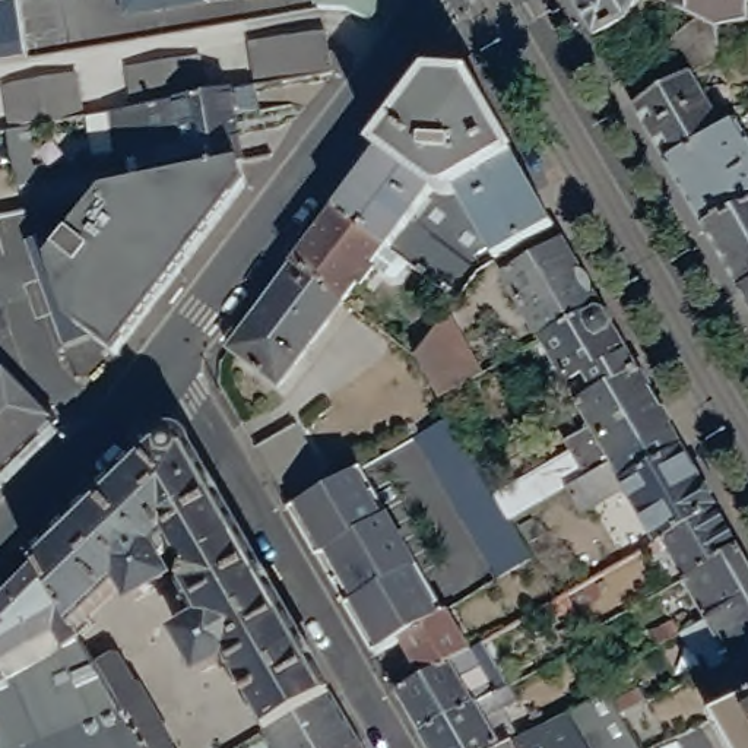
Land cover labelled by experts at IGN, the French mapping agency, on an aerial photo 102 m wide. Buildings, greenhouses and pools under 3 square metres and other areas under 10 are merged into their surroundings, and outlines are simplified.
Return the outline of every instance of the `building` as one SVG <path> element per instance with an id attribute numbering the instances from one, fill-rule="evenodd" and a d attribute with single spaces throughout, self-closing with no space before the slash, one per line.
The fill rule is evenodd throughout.
<path id="1" fill-rule="evenodd" d="M 0 58 L 29 56 L 23 0 L 0 0 Z"/>
<path id="2" fill-rule="evenodd" d="M 617 26 L 631 9 L 643 6 L 646 0 L 561 0 L 573 26 L 587 35 Z"/>
<path id="3" fill-rule="evenodd" d="M 704 58 L 713 58 L 719 47 L 719 29 L 748 20 L 748 0 L 672 0 L 684 15 L 690 15 L 690 20 L 672 35 L 672 44 L 678 50 L 690 58 L 687 67 L 655 79 L 649 88 L 631 96 L 637 102 L 634 120 L 646 120 L 646 126 L 655 134 L 663 134 L 663 172 L 666 178 L 672 196 L 687 210 L 701 213 L 704 228 L 713 231 L 713 237 L 719 240 L 719 248 L 730 260 L 748 301 L 748 137 L 730 117 L 713 123 L 707 114 L 707 91 L 716 88 L 716 82 L 707 76 L 695 76 L 695 67 Z"/>
<path id="4" fill-rule="evenodd" d="M 56 427 L 47 421 L 47 412 L 23 392 L 23 386 L 6 368 L 0 368 L 0 491 L 38 450 L 47 447 L 47 441 L 56 435 Z"/>
<path id="5" fill-rule="evenodd" d="M 365 152 L 359 155 L 359 161 L 342 178 L 342 184 L 327 199 L 316 222 L 289 248 L 289 254 L 257 292 L 245 316 L 225 330 L 225 339 L 234 345 L 237 356 L 257 365 L 269 380 L 281 380 L 298 356 L 298 351 L 310 342 L 316 327 L 336 307 L 342 289 L 351 281 L 362 278 L 368 263 L 374 263 L 377 272 L 386 272 L 397 257 L 403 257 L 406 263 L 427 257 L 432 269 L 473 275 L 473 269 L 482 266 L 485 263 L 488 254 L 500 257 L 517 243 L 549 228 L 549 207 L 541 196 L 532 193 L 511 152 L 508 137 L 500 120 L 494 117 L 491 105 L 485 102 L 479 85 L 473 82 L 462 58 L 415 58 L 362 126 Z"/>
<path id="6" fill-rule="evenodd" d="M 187 0 L 114 0 L 123 9 L 158 9 Z"/>
<path id="7" fill-rule="evenodd" d="M 564 234 L 526 251 L 511 266 L 497 266 L 508 307 L 526 318 L 523 333 L 532 333 L 535 342 L 543 342 L 543 359 L 552 374 L 573 377 L 567 386 L 576 397 L 581 397 L 581 409 L 573 421 L 561 424 L 561 441 L 555 444 L 555 450 L 546 450 L 549 462 L 497 494 L 479 476 L 479 465 L 465 462 L 462 450 L 453 444 L 441 421 L 430 430 L 415 430 L 415 441 L 432 462 L 459 517 L 473 532 L 485 555 L 485 570 L 494 579 L 520 561 L 520 549 L 526 546 L 523 532 L 517 532 L 508 523 L 508 517 L 529 511 L 546 497 L 558 494 L 561 488 L 576 497 L 576 505 L 596 508 L 608 497 L 625 494 L 634 511 L 640 514 L 643 538 L 652 543 L 666 543 L 675 561 L 675 576 L 687 579 L 690 590 L 695 593 L 695 611 L 701 619 L 684 628 L 666 622 L 649 631 L 649 637 L 655 640 L 675 637 L 678 646 L 678 655 L 687 657 L 687 666 L 719 666 L 725 678 L 733 684 L 730 692 L 707 701 L 707 719 L 713 728 L 716 748 L 748 748 L 748 543 L 730 523 L 728 511 L 719 505 L 719 482 L 710 473 L 707 479 L 692 476 L 692 459 L 701 459 L 704 453 L 698 444 L 681 438 L 675 421 L 669 421 L 663 409 L 663 400 L 657 389 L 652 394 L 646 377 L 637 374 L 637 365 L 631 365 L 637 359 L 634 345 L 619 321 L 605 304 L 605 298 L 599 286 L 590 286 L 590 275 L 584 272 L 587 266 L 581 263 L 581 254 Z"/>
<path id="8" fill-rule="evenodd" d="M 368 728 L 354 725 L 339 698 L 333 704 L 327 701 L 321 672 L 310 646 L 307 622 L 286 590 L 286 581 L 278 579 L 278 561 L 269 561 L 260 546 L 263 532 L 254 532 L 254 526 L 231 503 L 228 491 L 219 485 L 219 479 L 196 456 L 190 456 L 190 430 L 184 424 L 167 424 L 164 432 L 143 435 L 114 462 L 105 462 L 108 468 L 96 476 L 94 488 L 79 494 L 58 517 L 50 520 L 50 526 L 41 535 L 29 541 L 29 549 L 35 555 L 26 555 L 26 561 L 0 584 L 0 748 L 178 748 L 167 733 L 164 713 L 158 710 L 152 692 L 146 690 L 143 678 L 137 675 L 134 663 L 123 655 L 123 649 L 114 646 L 111 652 L 91 657 L 82 646 L 88 640 L 82 634 L 82 625 L 67 622 L 70 611 L 76 611 L 105 581 L 114 581 L 120 593 L 129 593 L 140 584 L 155 587 L 164 576 L 172 576 L 175 590 L 184 599 L 184 608 L 178 608 L 175 614 L 169 611 L 167 625 L 184 663 L 213 660 L 219 669 L 237 678 L 243 701 L 263 716 L 260 739 L 266 739 L 266 748 L 359 748 L 362 742 L 368 742 Z"/>
<path id="9" fill-rule="evenodd" d="M 485 643 L 468 646 L 468 631 L 473 628 L 456 614 L 453 605 L 438 605 L 424 567 L 415 564 L 415 552 L 406 546 L 406 529 L 400 526 L 400 520 L 394 520 L 394 514 L 377 508 L 371 479 L 365 479 L 362 470 L 354 468 L 354 462 L 354 450 L 342 435 L 310 435 L 307 424 L 292 421 L 286 430 L 269 435 L 266 441 L 254 441 L 248 430 L 237 427 L 234 441 L 257 479 L 275 479 L 281 485 L 281 497 L 286 503 L 275 508 L 275 514 L 289 517 L 292 529 L 304 543 L 301 552 L 310 552 L 318 561 L 324 579 L 342 590 L 339 608 L 345 611 L 362 649 L 368 649 L 371 655 L 386 655 L 397 646 L 406 655 L 406 660 L 427 660 L 424 669 L 403 678 L 403 701 L 421 722 L 421 733 L 430 748 L 637 748 L 643 736 L 634 730 L 628 716 L 622 716 L 622 707 L 631 707 L 646 698 L 643 692 L 628 692 L 622 698 L 614 698 L 611 704 L 587 701 L 570 710 L 546 719 L 543 725 L 526 733 L 517 733 L 508 707 L 517 698 L 511 690 L 503 687 L 503 660 L 488 655 Z"/>
<path id="10" fill-rule="evenodd" d="M 468 351 L 465 327 L 456 324 L 450 316 L 430 330 L 418 348 L 418 365 L 424 368 L 424 380 L 427 403 L 468 380 L 482 374 L 482 365 Z"/>
<path id="11" fill-rule="evenodd" d="M 260 41 L 245 38 L 248 61 L 243 70 L 222 70 L 219 61 L 207 56 L 181 64 L 175 58 L 152 64 L 129 64 L 123 58 L 123 91 L 131 91 L 129 96 L 134 105 L 114 108 L 111 114 L 70 117 L 76 108 L 82 108 L 82 102 L 88 102 L 82 96 L 76 67 L 67 76 L 38 76 L 15 85 L 6 85 L 0 79 L 0 134 L 9 134 L 6 158 L 12 172 L 6 178 L 23 190 L 18 193 L 23 199 L 20 234 L 44 245 L 44 263 L 47 269 L 53 269 L 56 283 L 61 289 L 53 307 L 53 316 L 58 318 L 64 336 L 64 342 L 56 351 L 58 362 L 67 362 L 67 354 L 82 345 L 96 345 L 108 359 L 114 359 L 137 333 L 137 327 L 152 316 L 158 301 L 169 295 L 175 278 L 190 266 L 193 254 L 202 248 L 202 243 L 213 234 L 213 228 L 245 190 L 245 178 L 237 178 L 237 158 L 245 155 L 248 146 L 237 140 L 243 114 L 234 114 L 231 108 L 260 108 L 260 99 L 254 96 L 251 85 L 269 85 L 321 70 L 336 70 L 339 61 L 330 50 L 330 35 L 348 15 L 371 18 L 377 0 L 313 0 L 313 6 L 318 6 L 321 12 L 321 29 Z M 79 129 L 67 137 L 53 134 L 38 149 L 32 143 L 32 129 L 44 126 L 47 120 L 76 123 Z"/>

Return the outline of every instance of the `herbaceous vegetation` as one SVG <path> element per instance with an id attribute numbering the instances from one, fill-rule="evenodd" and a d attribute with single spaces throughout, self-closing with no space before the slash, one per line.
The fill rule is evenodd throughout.
<path id="1" fill-rule="evenodd" d="M 409 345 L 418 348 L 430 330 L 424 321 L 418 321 L 421 310 L 412 301 L 412 292 L 403 283 L 386 283 L 377 289 L 362 286 L 348 298 L 348 310 L 354 313 L 354 318 L 362 318 L 374 330 L 383 327 L 392 336 L 409 336 Z"/>
<path id="2" fill-rule="evenodd" d="M 663 722 L 672 722 L 678 716 L 701 713 L 704 719 L 707 719 L 707 701 L 730 692 L 733 684 L 725 678 L 719 666 L 687 666 L 687 657 L 678 655 L 678 646 L 669 649 L 663 657 L 672 672 L 690 672 L 695 687 L 669 687 L 666 698 L 646 698 L 631 707 L 622 707 L 622 716 L 628 716 L 634 730 L 643 736 L 655 736 Z"/>
<path id="3" fill-rule="evenodd" d="M 473 321 L 482 304 L 491 304 L 500 321 L 511 324 L 517 336 L 523 333 L 526 318 L 508 307 L 497 266 L 485 263 L 482 266 L 485 278 L 468 295 L 465 307 L 453 310 L 450 316 L 456 324 L 465 327 Z"/>
<path id="4" fill-rule="evenodd" d="M 628 88 L 631 96 L 649 88 L 655 79 L 687 67 L 690 58 L 678 50 L 663 64 L 646 70 Z"/>
<path id="5" fill-rule="evenodd" d="M 579 619 L 608 622 L 614 617 L 611 608 L 617 608 L 622 593 L 637 579 L 643 579 L 643 567 L 657 561 L 669 573 L 669 584 L 663 590 L 637 596 L 628 611 L 637 622 L 649 622 L 649 631 L 666 622 L 684 628 L 701 619 L 695 611 L 695 593 L 690 590 L 687 579 L 675 576 L 675 561 L 666 543 L 652 543 L 637 555 L 617 561 L 605 573 L 587 576 L 590 564 L 617 549 L 596 508 L 576 505 L 576 497 L 561 488 L 558 494 L 546 497 L 529 511 L 508 517 L 508 523 L 517 532 L 523 532 L 526 546 L 520 549 L 520 561 L 494 579 L 453 605 L 456 614 L 473 628 L 514 608 L 517 599 L 529 608 L 546 608 L 555 602 L 555 614 L 561 614 L 564 628 L 576 625 Z"/>
<path id="6" fill-rule="evenodd" d="M 526 631 L 517 622 L 488 634 L 485 643 L 488 655 L 503 660 L 520 660 L 517 652 L 511 652 L 511 643 L 523 640 Z"/>
<path id="7" fill-rule="evenodd" d="M 307 424 L 310 435 L 342 435 L 368 432 L 380 421 L 397 415 L 406 421 L 403 438 L 415 441 L 415 430 L 430 430 L 441 421 L 427 415 L 427 403 L 424 380 L 415 380 L 406 371 L 406 362 L 389 351 L 359 377 L 336 389 L 327 397 L 327 409 Z"/>
<path id="8" fill-rule="evenodd" d="M 535 354 L 500 362 L 500 374 L 538 368 L 538 377 L 549 380 L 549 386 L 567 386 L 573 377 L 552 374 L 543 359 L 543 342 L 535 342 Z"/>
<path id="9" fill-rule="evenodd" d="M 707 114 L 713 123 L 730 117 L 748 137 L 748 64 L 742 70 L 716 67 L 713 58 L 704 58 L 695 67 L 695 76 L 707 76 L 716 82 L 716 88 L 707 91 Z"/>
<path id="10" fill-rule="evenodd" d="M 570 710 L 561 695 L 570 692 L 573 669 L 561 669 L 561 675 L 552 681 L 538 681 L 526 687 L 517 698 L 508 707 L 517 733 L 526 733 L 543 725 L 546 719 Z"/>

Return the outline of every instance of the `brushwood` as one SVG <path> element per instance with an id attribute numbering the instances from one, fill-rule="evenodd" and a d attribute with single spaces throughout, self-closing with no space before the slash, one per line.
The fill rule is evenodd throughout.
<path id="1" fill-rule="evenodd" d="M 424 368 L 418 365 L 418 348 L 409 345 L 409 336 L 392 336 L 389 351 L 406 362 L 406 371 L 415 380 L 424 380 Z"/>
<path id="2" fill-rule="evenodd" d="M 263 392 L 251 377 L 234 368 L 234 356 L 222 356 L 219 386 L 243 421 L 278 406 L 278 392 Z"/>
<path id="3" fill-rule="evenodd" d="M 488 386 L 500 386 L 500 374 L 500 362 L 535 354 L 535 342 L 532 333 L 523 333 L 517 336 L 511 324 L 500 321 L 491 304 L 482 304 L 473 321 L 465 327 L 468 351 L 482 365 L 482 374 L 468 380 L 485 397 Z"/>
<path id="4" fill-rule="evenodd" d="M 701 725 L 704 719 L 701 713 L 678 716 L 672 722 L 663 722 L 655 736 L 643 736 L 637 748 L 660 748 L 672 742 L 681 730 Z"/>
<path id="5" fill-rule="evenodd" d="M 468 295 L 485 278 L 482 266 L 473 269 L 473 275 L 432 269 L 412 272 L 403 283 L 412 292 L 421 289 L 427 281 L 441 281 L 441 289 L 453 286 L 453 295 L 459 295 L 462 289 Z"/>
<path id="6" fill-rule="evenodd" d="M 549 649 L 564 646 L 564 628 L 561 614 L 555 614 L 543 637 L 526 631 L 523 640 L 511 643 L 511 652 L 517 652 L 520 660 L 503 660 L 503 687 L 511 690 L 517 698 L 526 687 L 538 681 L 535 675 L 523 675 L 523 669 L 541 660 Z"/>
<path id="7" fill-rule="evenodd" d="M 663 657 L 669 649 L 678 646 L 675 637 L 655 640 L 628 660 L 622 672 L 628 692 L 643 692 L 646 698 L 666 698 L 669 687 L 695 687 L 690 672 L 672 672 Z"/>
<path id="8" fill-rule="evenodd" d="M 485 643 L 488 634 L 517 622 L 520 617 L 514 608 L 473 628 L 468 631 L 468 646 Z"/>

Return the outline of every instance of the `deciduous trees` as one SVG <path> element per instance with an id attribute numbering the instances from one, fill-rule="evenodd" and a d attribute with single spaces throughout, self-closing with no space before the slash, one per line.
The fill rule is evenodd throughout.
<path id="1" fill-rule="evenodd" d="M 687 248 L 684 228 L 678 225 L 678 219 L 672 219 L 669 225 L 649 225 L 649 245 L 655 248 L 655 257 L 660 263 L 675 263 L 675 257 Z"/>
<path id="2" fill-rule="evenodd" d="M 733 327 L 725 316 L 698 321 L 695 330 L 698 336 L 704 336 L 710 371 L 722 368 L 725 377 L 748 380 L 748 333 L 742 324 Z"/>
<path id="3" fill-rule="evenodd" d="M 660 339 L 660 313 L 649 301 L 622 304 L 628 316 L 619 321 L 634 345 L 655 345 Z"/>
<path id="4" fill-rule="evenodd" d="M 748 20 L 719 29 L 719 47 L 713 58 L 716 67 L 742 70 L 748 64 Z"/>
<path id="5" fill-rule="evenodd" d="M 669 359 L 655 371 L 657 389 L 663 400 L 678 397 L 681 392 L 690 394 L 690 374 L 684 371 L 681 359 Z"/>
<path id="6" fill-rule="evenodd" d="M 742 491 L 748 482 L 748 465 L 730 450 L 719 450 L 710 459 L 710 473 L 719 482 L 736 491 Z"/>
<path id="7" fill-rule="evenodd" d="M 593 61 L 576 67 L 573 99 L 587 111 L 599 111 L 605 108 L 608 96 L 628 88 L 646 70 L 663 64 L 678 50 L 672 44 L 672 35 L 690 20 L 690 15 L 684 15 L 672 0 L 646 0 L 643 6 L 631 9 L 617 26 L 587 35 L 593 47 Z"/>
<path id="8" fill-rule="evenodd" d="M 704 278 L 698 269 L 690 269 L 687 301 L 692 307 L 710 307 L 719 298 L 719 283 L 713 278 Z"/>
<path id="9" fill-rule="evenodd" d="M 564 628 L 564 646 L 549 649 L 541 660 L 523 669 L 523 675 L 535 675 L 538 681 L 552 681 L 561 675 L 561 669 L 573 669 L 570 692 L 561 695 L 570 710 L 587 701 L 611 704 L 614 698 L 622 698 L 628 692 L 622 672 L 628 660 L 655 640 L 649 637 L 649 631 L 649 622 L 637 622 L 628 611 L 637 596 L 663 590 L 669 584 L 669 573 L 657 561 L 643 567 L 643 579 L 637 579 L 622 593 L 617 608 L 611 608 L 614 617 L 608 622 L 579 619 L 576 625 Z"/>
<path id="10" fill-rule="evenodd" d="M 590 222 L 590 216 L 584 213 L 567 225 L 564 234 L 581 254 L 581 263 L 587 266 L 584 272 L 590 275 L 590 286 L 599 286 L 605 298 L 622 295 L 622 289 L 628 286 L 628 266 L 619 263 L 614 254 L 596 257 L 593 248 L 605 245 L 605 228 L 599 222 Z"/>
<path id="11" fill-rule="evenodd" d="M 453 444 L 462 450 L 465 462 L 479 465 L 479 476 L 497 494 L 549 462 L 546 450 L 555 450 L 555 444 L 561 441 L 561 424 L 573 421 L 581 409 L 581 397 L 576 397 L 567 386 L 549 386 L 549 380 L 538 377 L 538 368 L 500 374 L 500 386 L 488 386 L 485 397 L 468 380 L 427 403 L 427 415 L 441 421 Z"/>
<path id="12" fill-rule="evenodd" d="M 32 129 L 32 143 L 38 149 L 53 134 L 67 137 L 79 129 L 76 123 L 47 120 L 44 126 Z"/>
<path id="13" fill-rule="evenodd" d="M 424 321 L 430 330 L 450 316 L 453 310 L 465 307 L 468 295 L 462 289 L 459 295 L 453 295 L 453 286 L 441 289 L 441 281 L 427 281 L 421 289 L 412 292 L 412 301 L 421 310 L 418 321 Z"/>
<path id="14" fill-rule="evenodd" d="M 622 123 L 614 123 L 605 131 L 608 149 L 617 158 L 634 155 L 634 134 Z"/>
<path id="15" fill-rule="evenodd" d="M 403 438 L 406 421 L 397 415 L 380 421 L 368 432 L 342 435 L 354 450 L 354 462 L 365 462 Z"/>
<path id="16" fill-rule="evenodd" d="M 564 152 L 567 137 L 552 123 L 552 108 L 541 105 L 549 96 L 549 88 L 541 82 L 532 64 L 526 64 L 508 88 L 497 88 L 497 99 L 491 105 L 494 117 L 500 120 L 508 137 L 511 152 L 538 152 L 541 158 L 549 152 Z"/>
<path id="17" fill-rule="evenodd" d="M 646 161 L 646 167 L 631 172 L 631 190 L 640 199 L 657 199 L 660 181 L 666 178 L 663 172 L 657 172 Z"/>
<path id="18" fill-rule="evenodd" d="M 526 631 L 543 637 L 555 614 L 555 602 L 546 608 L 529 608 L 517 599 L 514 608 L 520 617 L 517 622 Z"/>

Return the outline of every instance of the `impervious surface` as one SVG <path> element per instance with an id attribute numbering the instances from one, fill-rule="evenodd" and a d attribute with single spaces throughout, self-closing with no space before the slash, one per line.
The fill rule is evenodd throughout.
<path id="1" fill-rule="evenodd" d="M 120 593 L 114 581 L 105 581 L 76 611 L 70 611 L 67 622 L 82 625 L 82 634 L 88 640 L 82 646 L 91 657 L 111 652 L 114 646 L 123 649 L 123 655 L 134 663 L 137 675 L 143 678 L 146 690 L 152 692 L 158 710 L 164 713 L 167 733 L 178 748 L 266 748 L 266 739 L 260 739 L 263 716 L 243 701 L 237 678 L 219 669 L 213 660 L 184 663 L 167 625 L 169 611 L 175 614 L 178 608 L 184 608 L 184 599 L 175 590 L 172 576 L 164 576 L 155 587 L 140 584 L 129 593 Z"/>
<path id="2" fill-rule="evenodd" d="M 728 511 L 730 523 L 748 543 L 748 482 L 742 491 L 736 491 L 719 482 L 719 505 Z"/>
<path id="3" fill-rule="evenodd" d="M 748 465 L 748 380 L 725 377 L 722 368 L 710 371 L 704 336 L 698 336 L 695 330 L 698 321 L 725 316 L 733 327 L 742 324 L 748 333 L 748 301 L 730 260 L 719 248 L 719 240 L 713 237 L 713 231 L 704 228 L 701 213 L 687 210 L 672 196 L 666 178 L 660 181 L 657 199 L 640 199 L 631 190 L 631 172 L 646 167 L 646 161 L 657 172 L 663 172 L 663 134 L 655 134 L 646 126 L 646 120 L 634 120 L 637 102 L 631 96 L 628 88 L 608 96 L 605 108 L 599 111 L 587 111 L 573 99 L 576 67 L 593 61 L 593 47 L 587 35 L 573 26 L 561 0 L 377 0 L 371 18 L 348 15 L 330 35 L 330 50 L 339 61 L 336 70 L 321 70 L 269 85 L 251 85 L 254 96 L 260 99 L 260 108 L 231 108 L 234 114 L 243 114 L 237 140 L 248 146 L 245 155 L 237 158 L 237 178 L 245 178 L 245 190 L 213 228 L 213 234 L 202 243 L 202 248 L 193 254 L 190 266 L 175 278 L 169 295 L 158 301 L 152 316 L 137 327 L 137 333 L 114 359 L 108 359 L 96 345 L 82 345 L 67 354 L 67 362 L 58 362 L 56 351 L 64 342 L 64 336 L 58 318 L 53 316 L 53 307 L 61 289 L 56 283 L 53 269 L 47 269 L 44 263 L 44 245 L 20 234 L 23 199 L 18 193 L 23 190 L 6 178 L 12 172 L 6 158 L 9 134 L 0 134 L 0 368 L 6 368 L 23 386 L 23 392 L 47 412 L 47 421 L 56 427 L 56 435 L 47 441 L 47 447 L 38 450 L 0 491 L 0 584 L 26 561 L 26 555 L 35 555 L 29 549 L 29 541 L 41 535 L 50 526 L 50 520 L 58 517 L 79 494 L 94 488 L 96 476 L 108 468 L 105 462 L 114 462 L 143 435 L 164 432 L 167 424 L 184 424 L 190 430 L 190 456 L 196 456 L 219 479 L 219 485 L 228 491 L 231 503 L 254 526 L 254 532 L 263 532 L 260 546 L 269 561 L 278 561 L 278 579 L 286 581 L 286 590 L 307 622 L 310 646 L 321 672 L 327 701 L 333 704 L 339 698 L 354 725 L 368 728 L 368 742 L 362 742 L 359 748 L 430 748 L 421 733 L 421 722 L 403 701 L 403 678 L 424 669 L 427 660 L 406 660 L 406 655 L 397 646 L 386 655 L 371 655 L 368 649 L 362 649 L 345 611 L 339 608 L 342 590 L 324 579 L 318 561 L 310 552 L 301 552 L 304 543 L 292 529 L 289 517 L 275 514 L 275 508 L 286 503 L 281 497 L 281 485 L 275 479 L 257 479 L 234 441 L 237 427 L 248 430 L 254 441 L 266 441 L 269 435 L 286 430 L 292 421 L 307 424 L 327 409 L 327 397 L 336 389 L 359 377 L 389 351 L 392 336 L 383 327 L 374 330 L 362 318 L 354 318 L 354 313 L 348 310 L 348 298 L 362 286 L 377 289 L 386 283 L 403 283 L 412 272 L 432 269 L 427 257 L 406 263 L 403 257 L 397 257 L 386 272 L 377 272 L 374 263 L 368 263 L 362 278 L 351 281 L 342 289 L 336 307 L 316 327 L 310 342 L 298 351 L 298 356 L 281 380 L 269 380 L 257 365 L 237 356 L 234 345 L 225 339 L 225 330 L 245 316 L 257 292 L 289 254 L 289 248 L 316 222 L 327 199 L 342 184 L 342 178 L 359 161 L 359 155 L 365 152 L 362 126 L 415 58 L 462 58 L 473 82 L 479 85 L 485 102 L 491 105 L 497 99 L 497 88 L 508 88 L 526 64 L 532 64 L 541 82 L 549 88 L 549 96 L 541 105 L 552 108 L 552 123 L 567 137 L 564 152 L 549 152 L 541 158 L 538 152 L 511 152 L 532 193 L 541 196 L 549 207 L 549 228 L 517 243 L 500 257 L 488 254 L 485 263 L 497 266 L 511 266 L 526 251 L 564 234 L 567 225 L 584 213 L 590 216 L 590 222 L 599 222 L 605 228 L 605 245 L 593 248 L 596 257 L 614 254 L 619 263 L 628 266 L 628 286 L 622 289 L 622 295 L 605 298 L 605 304 L 619 321 L 628 316 L 622 304 L 649 301 L 660 313 L 660 339 L 655 345 L 634 345 L 637 359 L 631 365 L 637 365 L 637 374 L 646 377 L 652 394 L 657 389 L 655 371 L 669 359 L 681 359 L 684 371 L 690 374 L 690 394 L 681 392 L 678 397 L 663 400 L 663 409 L 669 421 L 675 421 L 681 438 L 698 444 L 704 453 L 701 459 L 692 459 L 692 476 L 707 479 L 710 473 L 710 459 L 719 450 L 730 450 Z M 634 134 L 634 155 L 617 158 L 608 149 L 605 131 L 614 123 L 622 123 Z M 672 219 L 678 219 L 678 225 L 684 228 L 687 248 L 675 257 L 675 263 L 660 263 L 655 257 L 655 248 L 649 245 L 649 225 L 669 225 Z M 719 298 L 710 307 L 692 307 L 687 301 L 690 269 L 698 269 L 704 278 L 713 278 L 719 283 Z M 251 377 L 263 392 L 278 392 L 278 406 L 243 421 L 219 386 L 222 356 L 234 356 L 234 368 Z"/>
<path id="4" fill-rule="evenodd" d="M 222 70 L 243 70 L 248 61 L 245 38 L 260 41 L 321 29 L 321 12 L 318 6 L 313 6 L 313 0 L 187 0 L 158 9 L 123 9 L 114 0 L 23 0 L 29 56 L 0 58 L 0 79 L 6 85 L 15 85 L 38 76 L 67 76 L 76 67 L 82 96 L 88 102 L 82 102 L 82 108 L 76 108 L 70 117 L 111 114 L 114 108 L 134 105 L 129 96 L 131 91 L 123 91 L 123 58 L 129 64 L 152 64 L 175 58 L 181 64 L 207 56 L 219 61 Z"/>
<path id="5" fill-rule="evenodd" d="M 438 605 L 453 605 L 494 579 L 485 570 L 485 555 L 473 532 L 459 517 L 432 462 L 415 441 L 403 438 L 365 462 L 354 462 L 354 468 L 362 470 L 365 479 L 371 479 L 377 508 L 394 514 L 394 520 L 400 520 L 400 526 L 406 529 L 406 546 L 415 552 L 415 564 L 424 567 Z"/>
<path id="6" fill-rule="evenodd" d="M 587 576 L 605 573 L 617 561 L 637 555 L 652 543 L 643 538 L 640 514 L 634 511 L 625 494 L 608 497 L 596 508 L 617 549 L 590 564 Z"/>
<path id="7" fill-rule="evenodd" d="M 707 719 L 704 719 L 701 725 L 681 730 L 672 742 L 660 748 L 716 748 L 713 728 Z"/>

